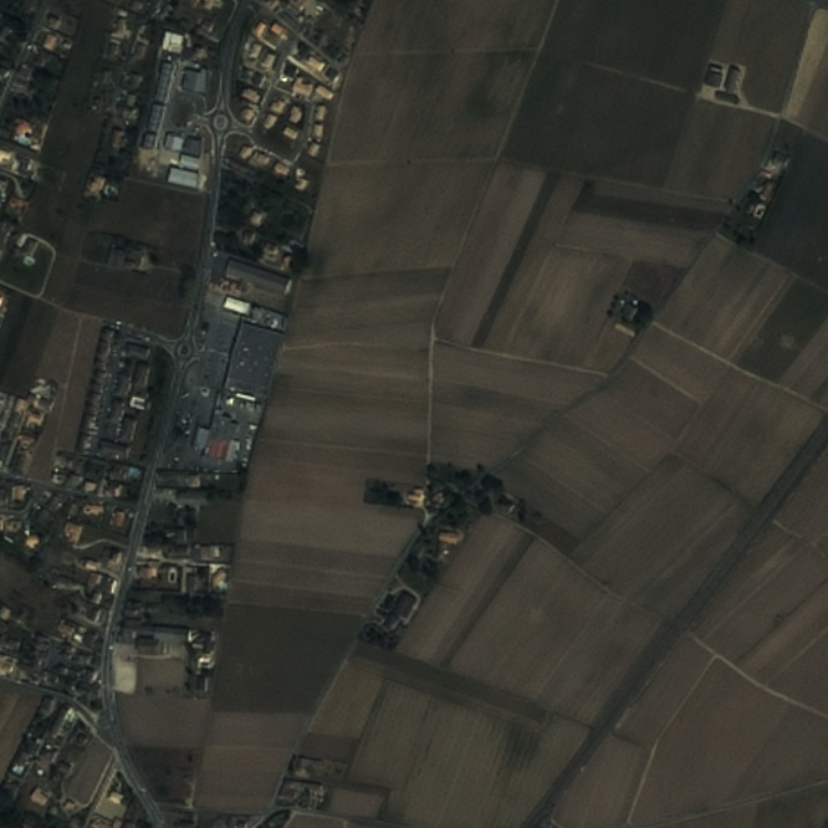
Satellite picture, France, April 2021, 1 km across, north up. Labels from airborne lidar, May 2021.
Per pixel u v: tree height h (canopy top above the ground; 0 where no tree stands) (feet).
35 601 0
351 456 0
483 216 0
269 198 37
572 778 0
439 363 0
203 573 26
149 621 31
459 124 0
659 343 0
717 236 0
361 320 0
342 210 0
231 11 0
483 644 0
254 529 0
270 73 0
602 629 0
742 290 0
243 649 0
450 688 0
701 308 0
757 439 0
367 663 0
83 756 0
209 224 0
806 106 0
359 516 0
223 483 0
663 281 0
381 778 0
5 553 24
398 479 0
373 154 0
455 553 0
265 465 0
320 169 0
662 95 0
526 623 0
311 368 0
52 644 0
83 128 0
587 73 0
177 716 0
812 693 0
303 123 0
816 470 0
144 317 0
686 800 0
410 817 0
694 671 0
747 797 0
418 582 0
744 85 0
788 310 0
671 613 0
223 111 0
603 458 0
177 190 0
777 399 0
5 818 63
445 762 0
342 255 0
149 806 0
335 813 0
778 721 0
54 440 0
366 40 0
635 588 0
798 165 0
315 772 31
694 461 0
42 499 0
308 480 0
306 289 0
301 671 0
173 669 0
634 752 0
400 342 0
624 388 0
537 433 0
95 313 0
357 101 0
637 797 0
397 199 0
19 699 0
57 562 0
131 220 0
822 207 0
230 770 0
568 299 0
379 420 0
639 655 0
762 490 0
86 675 0
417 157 0
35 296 0
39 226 0
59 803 26
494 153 0
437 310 0
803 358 0
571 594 0
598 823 0
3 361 0
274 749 0
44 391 0
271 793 0
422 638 0
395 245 0
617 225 0
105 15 0
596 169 0
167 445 0
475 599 0
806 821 0
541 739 0
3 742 0
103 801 0
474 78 0
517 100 0
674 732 0
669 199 0
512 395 0
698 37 0
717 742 0
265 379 0
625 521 0
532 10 0
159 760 0
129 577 0
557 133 0
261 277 0
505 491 26
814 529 0
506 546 0
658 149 0
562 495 0
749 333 0
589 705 0
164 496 0
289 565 0
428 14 0
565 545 0
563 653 0
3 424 0
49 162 0
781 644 0
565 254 0
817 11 0
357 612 0
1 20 20
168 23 29
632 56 0
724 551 0
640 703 0
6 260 0
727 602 0
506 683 0
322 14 0
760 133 0
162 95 0
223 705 0
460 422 0
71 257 0
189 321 0
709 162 0
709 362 0
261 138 0
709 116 0
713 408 0
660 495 0
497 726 0
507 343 0
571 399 0
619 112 0
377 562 0
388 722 0
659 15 0
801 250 0
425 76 0
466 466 0
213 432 0
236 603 0
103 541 0
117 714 0
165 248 0
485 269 0
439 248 0
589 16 0
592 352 0
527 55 0
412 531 0
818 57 0
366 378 0
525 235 0
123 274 0
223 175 19
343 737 0
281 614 0
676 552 0
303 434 0
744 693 0
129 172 26
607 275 0
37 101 35
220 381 0
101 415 0
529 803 0
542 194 0
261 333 0
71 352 0
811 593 0
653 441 0
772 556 0
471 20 0
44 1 19
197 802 0
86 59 0
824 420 0
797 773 0
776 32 0
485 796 0
